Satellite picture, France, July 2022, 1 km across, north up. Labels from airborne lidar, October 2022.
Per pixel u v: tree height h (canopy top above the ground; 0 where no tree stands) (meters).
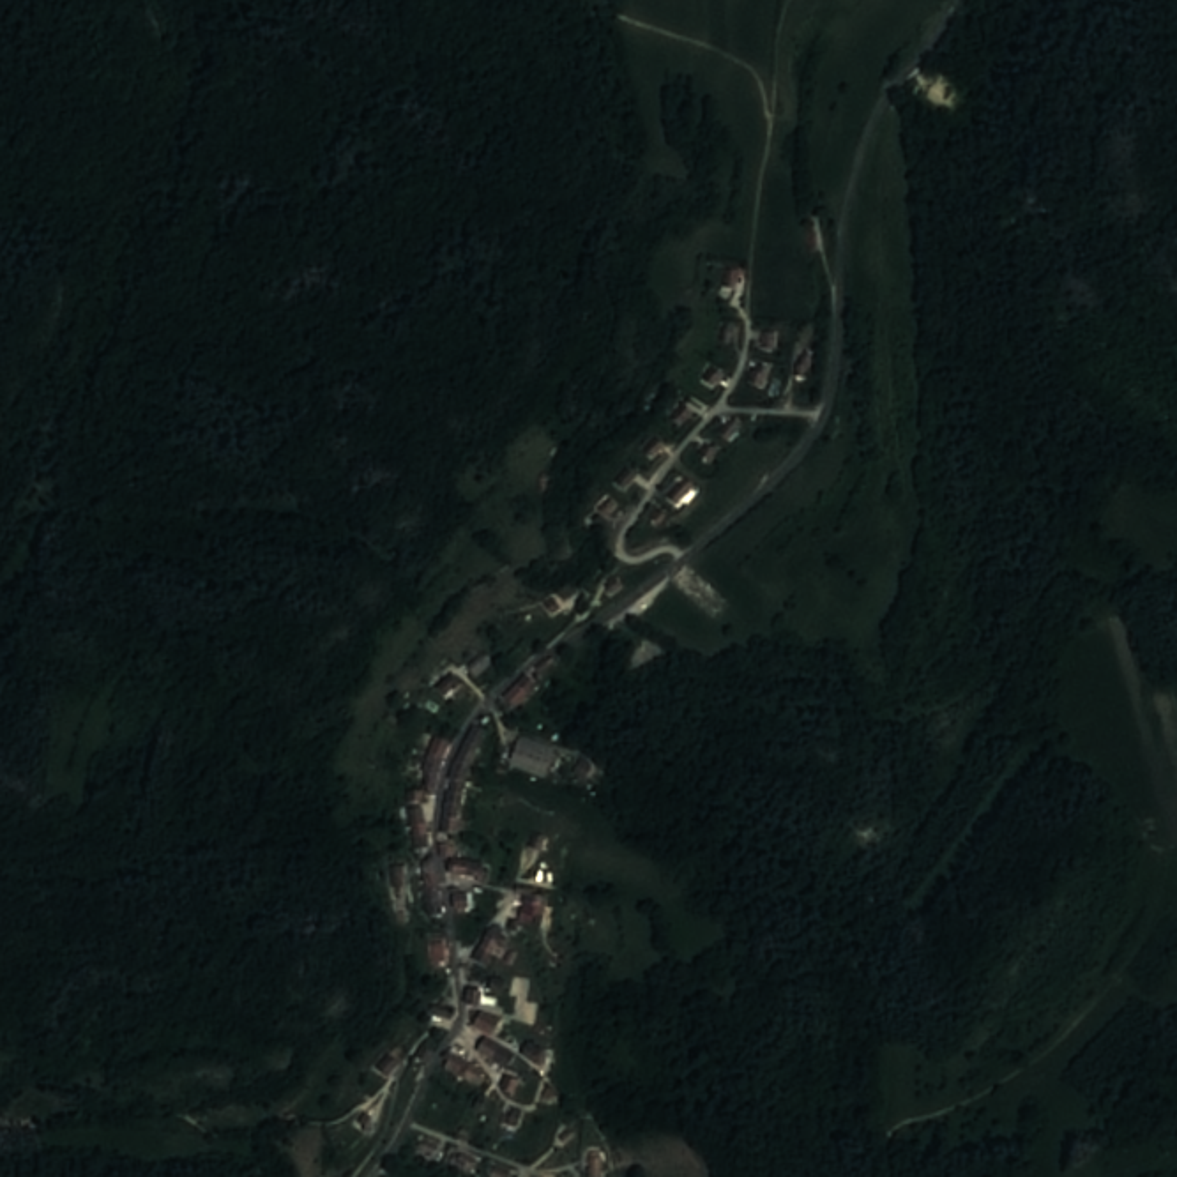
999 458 20
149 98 12
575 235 6
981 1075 6
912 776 13
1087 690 0
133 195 20
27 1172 18
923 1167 12
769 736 15
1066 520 19
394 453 15
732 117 0
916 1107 0
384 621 13
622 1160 0
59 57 12
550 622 0
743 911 23
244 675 11
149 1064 17
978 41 14
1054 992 6
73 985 17
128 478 9
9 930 8
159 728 13
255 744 14
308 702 10
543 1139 0
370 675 12
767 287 0
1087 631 17
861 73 0
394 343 9
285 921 26
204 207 12
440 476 11
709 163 14
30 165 12
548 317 17
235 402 27
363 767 0
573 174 10
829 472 0
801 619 0
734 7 0
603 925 0
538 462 0
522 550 0
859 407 15
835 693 15
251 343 12
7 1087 10
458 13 18
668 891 0
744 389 0
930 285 25
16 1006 11
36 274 19
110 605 12
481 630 6
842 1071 18
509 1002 0
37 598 15
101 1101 12
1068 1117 0
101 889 13
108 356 14
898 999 14
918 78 0
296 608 17
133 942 10
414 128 13
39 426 14
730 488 0
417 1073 0
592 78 19
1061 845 17
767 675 16
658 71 0
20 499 20
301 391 13
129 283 15
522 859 0
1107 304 8
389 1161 13
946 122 13
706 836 15
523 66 8
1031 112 9
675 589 0
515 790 0
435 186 12
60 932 10
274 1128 19
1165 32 7
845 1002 19
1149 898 0
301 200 14
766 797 14
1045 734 10
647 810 19
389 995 14
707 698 16
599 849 0
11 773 19
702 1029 18
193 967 12
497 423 12
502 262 13
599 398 13
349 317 11
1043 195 12
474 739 0
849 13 0
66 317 8
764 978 18
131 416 10
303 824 16
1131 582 7
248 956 10
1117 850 8
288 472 13
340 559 19
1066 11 21
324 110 10
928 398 11
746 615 0
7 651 21
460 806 0
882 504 0
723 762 19
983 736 15
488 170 17
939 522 9
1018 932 7
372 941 21
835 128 0
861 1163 32
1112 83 10
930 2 0
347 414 11
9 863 13
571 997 7
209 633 14
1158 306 11
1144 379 5
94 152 12
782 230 0
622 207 19
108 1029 11
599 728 26
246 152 12
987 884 19
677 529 7
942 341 21
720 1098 28
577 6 14
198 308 7
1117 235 14
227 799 17
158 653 12
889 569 0
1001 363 20
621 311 7
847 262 0
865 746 14
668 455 0
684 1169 0
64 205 11
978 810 20
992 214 22
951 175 19
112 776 12
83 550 14
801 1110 18
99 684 7
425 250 8
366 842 10
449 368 11
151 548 11
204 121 14
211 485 9
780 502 0
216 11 7
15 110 9
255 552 18
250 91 11
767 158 0
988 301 25
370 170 26
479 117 11
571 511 6
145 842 17
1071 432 20
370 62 12
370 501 12
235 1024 11
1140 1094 13
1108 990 0
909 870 13
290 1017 6
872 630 0
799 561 0
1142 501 0
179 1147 0
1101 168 9
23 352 10
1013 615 25
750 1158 20
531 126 12
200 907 12
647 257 7
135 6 10
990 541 18
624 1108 10
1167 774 0
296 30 14
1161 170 11
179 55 26
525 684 0
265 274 8
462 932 0
